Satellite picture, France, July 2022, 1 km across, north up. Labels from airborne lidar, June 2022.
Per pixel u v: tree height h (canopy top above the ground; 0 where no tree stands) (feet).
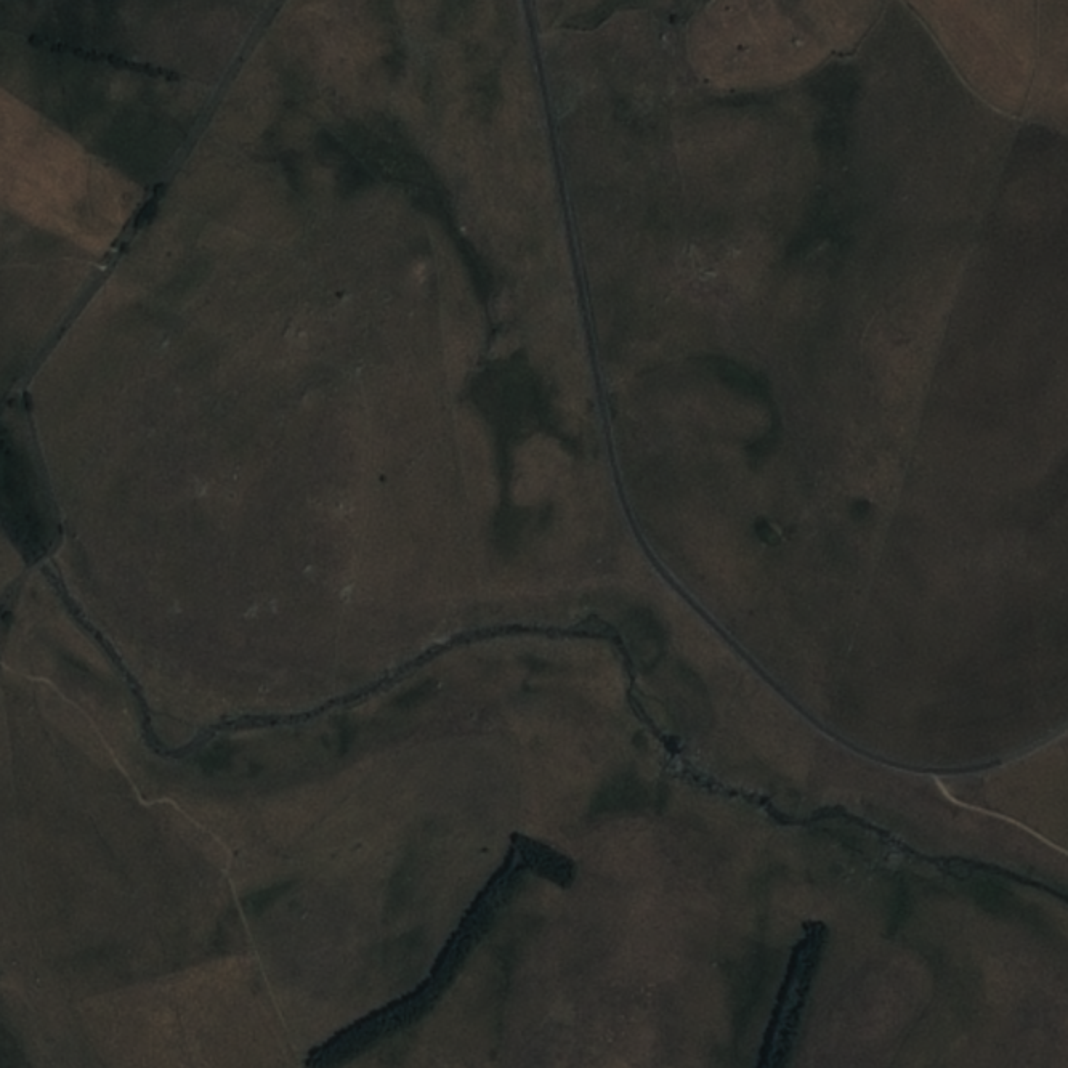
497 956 0
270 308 0
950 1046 0
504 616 0
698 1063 0
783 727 0
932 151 0
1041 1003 0
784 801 0
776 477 0
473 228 0
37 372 0
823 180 0
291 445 0
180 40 0
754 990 0
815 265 0
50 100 0
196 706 0
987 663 0
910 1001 0
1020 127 0
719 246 0
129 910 0
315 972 0
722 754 0
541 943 0
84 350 0
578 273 0
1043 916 0
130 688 0
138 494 0
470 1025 0
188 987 0
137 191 0
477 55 0
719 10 0
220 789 0
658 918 0
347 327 0
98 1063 0
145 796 0
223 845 0
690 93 0
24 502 0
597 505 0
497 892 60
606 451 0
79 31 0
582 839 0
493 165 0
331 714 0
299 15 0
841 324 0
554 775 0
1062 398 0
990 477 0
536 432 0
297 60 0
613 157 0
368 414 0
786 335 0
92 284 0
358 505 0
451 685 0
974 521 0
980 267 0
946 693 0
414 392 0
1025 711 0
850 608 0
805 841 0
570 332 0
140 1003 0
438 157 0
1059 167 0
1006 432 0
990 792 0
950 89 0
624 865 0
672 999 0
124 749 0
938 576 0
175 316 0
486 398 0
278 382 0
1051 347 0
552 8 0
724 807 0
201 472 0
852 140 0
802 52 0
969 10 0
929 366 0
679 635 0
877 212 0
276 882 0
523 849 48
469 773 0
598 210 0
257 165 0
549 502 0
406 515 0
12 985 0
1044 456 0
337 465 0
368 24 0
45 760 0
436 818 0
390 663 0
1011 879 0
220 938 0
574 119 0
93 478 0
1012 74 0
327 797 0
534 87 0
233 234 0
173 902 0
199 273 0
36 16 0
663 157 0
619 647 0
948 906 0
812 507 0
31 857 0
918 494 0
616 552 0
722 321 0
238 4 0
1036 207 0
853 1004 0
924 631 0
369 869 0
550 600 0
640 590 0
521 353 0
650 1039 0
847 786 0
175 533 0
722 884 0
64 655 0
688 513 0
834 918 0
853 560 0
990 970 0
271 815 0
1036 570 0
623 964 0
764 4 0
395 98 0
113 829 0
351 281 0
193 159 0
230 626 0
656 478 0
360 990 0
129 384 0
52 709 0
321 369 0
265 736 0
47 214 0
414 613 0
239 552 0
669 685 0
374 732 0
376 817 0
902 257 0
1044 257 0
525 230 0
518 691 0
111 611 0
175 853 0
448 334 0
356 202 0
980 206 0
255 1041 0
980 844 0
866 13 0
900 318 0
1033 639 0
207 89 0
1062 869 0
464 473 0
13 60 0
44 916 0
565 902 0
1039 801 0
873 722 0
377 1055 0
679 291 0
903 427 0
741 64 0
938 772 0
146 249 0
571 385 0
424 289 0
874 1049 0
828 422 0
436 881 0
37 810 0
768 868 0
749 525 0
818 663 0
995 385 0
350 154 0
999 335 0
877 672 0
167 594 0
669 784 0
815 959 64
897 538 0
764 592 0
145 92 0
